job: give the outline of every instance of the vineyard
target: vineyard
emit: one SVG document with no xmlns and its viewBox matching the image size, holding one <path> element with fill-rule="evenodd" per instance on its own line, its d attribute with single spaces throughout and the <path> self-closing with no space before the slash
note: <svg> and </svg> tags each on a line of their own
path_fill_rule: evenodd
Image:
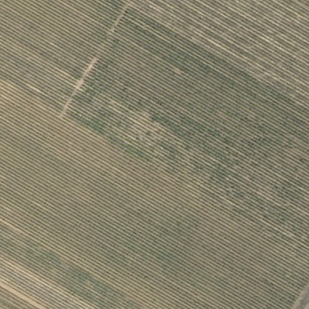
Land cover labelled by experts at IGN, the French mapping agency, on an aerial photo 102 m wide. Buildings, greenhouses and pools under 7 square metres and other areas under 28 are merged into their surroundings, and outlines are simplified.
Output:
<svg viewBox="0 0 309 309">
<path fill-rule="evenodd" d="M 309 309 L 309 0 L 0 0 L 0 309 Z"/>
</svg>

